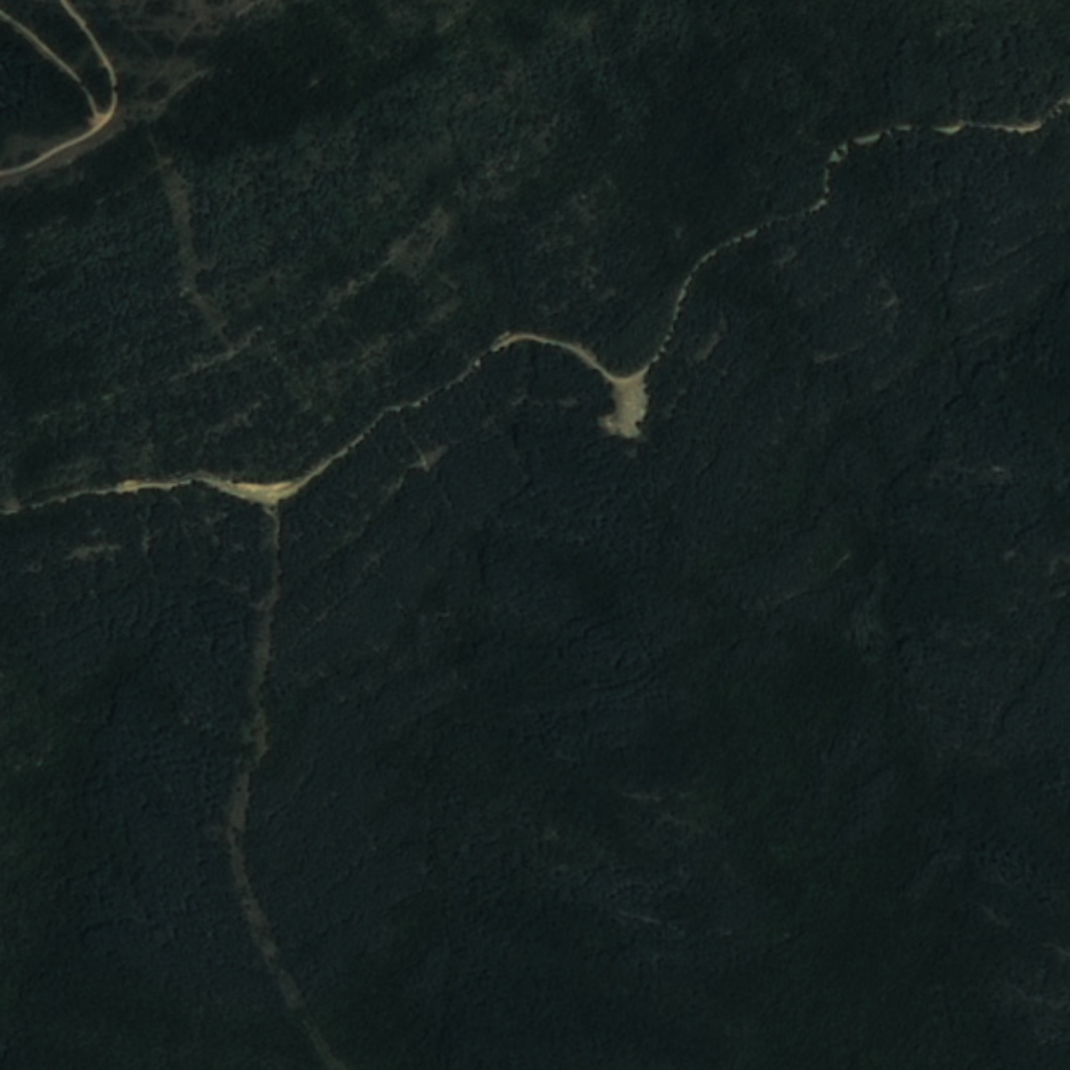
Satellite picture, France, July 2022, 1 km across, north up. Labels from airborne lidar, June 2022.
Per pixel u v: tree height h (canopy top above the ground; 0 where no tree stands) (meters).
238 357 7
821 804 12
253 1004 13
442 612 18
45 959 19
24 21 5
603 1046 7
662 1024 10
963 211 15
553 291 10
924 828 19
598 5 16
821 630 10
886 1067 9
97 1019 9
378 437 13
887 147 14
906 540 7
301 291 7
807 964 11
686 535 15
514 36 12
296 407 7
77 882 13
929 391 13
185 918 14
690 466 13
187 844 15
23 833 12
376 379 7
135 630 19
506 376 17
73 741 13
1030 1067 6
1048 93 9
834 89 11
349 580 14
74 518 17
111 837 12
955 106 11
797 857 7
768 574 17
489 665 15
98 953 15
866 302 11
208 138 9
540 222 10
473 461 18
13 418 14
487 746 8
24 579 14
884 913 12
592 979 8
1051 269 16
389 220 13
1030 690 13
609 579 10
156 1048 6
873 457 14
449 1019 13
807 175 18
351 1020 13
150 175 8
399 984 15
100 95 8
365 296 14
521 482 9
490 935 9
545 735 9
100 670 17
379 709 14
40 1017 8
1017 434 15
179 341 5
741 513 17
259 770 6
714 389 15
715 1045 9
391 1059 12
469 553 11
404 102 14
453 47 6
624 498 13
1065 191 13
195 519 12
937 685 11
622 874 12
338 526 13
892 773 14
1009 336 7
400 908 13
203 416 10
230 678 13
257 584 12
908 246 10
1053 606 7
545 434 13
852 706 20
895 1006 13
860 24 8
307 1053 15
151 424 8
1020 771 10
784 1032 14
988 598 7
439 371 12
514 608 6
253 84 13
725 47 9
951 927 10
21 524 16
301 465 6
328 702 19
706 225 9
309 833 20
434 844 13
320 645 14
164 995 8
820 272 12
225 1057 7
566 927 10
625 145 8
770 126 12
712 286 10
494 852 6
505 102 9
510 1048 11
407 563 16
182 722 7
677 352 9
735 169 14
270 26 10
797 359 16
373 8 9
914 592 9
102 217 11
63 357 10
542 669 7
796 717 12
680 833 6
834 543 8
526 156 10
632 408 0
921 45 16
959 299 10
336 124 13
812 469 12
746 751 13
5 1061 12
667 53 12
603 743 9
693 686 9
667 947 12
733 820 8
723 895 9
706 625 9
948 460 5
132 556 13
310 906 17
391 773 20
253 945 12
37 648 13
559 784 9
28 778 14
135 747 14
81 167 6
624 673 13
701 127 10
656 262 7
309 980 14
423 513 16
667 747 8
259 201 11
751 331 12
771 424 15
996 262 7
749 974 10
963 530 9
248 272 11
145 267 12
